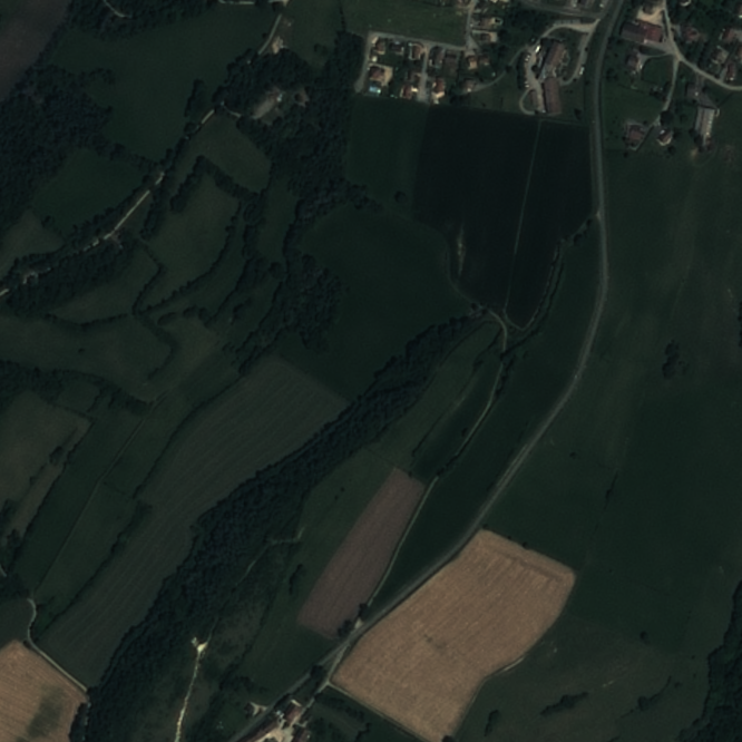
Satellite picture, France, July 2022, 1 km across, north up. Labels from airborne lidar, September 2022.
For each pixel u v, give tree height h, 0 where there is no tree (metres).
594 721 0
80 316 0
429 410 0
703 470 0
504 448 0
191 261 0
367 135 0
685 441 0
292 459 8
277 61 17
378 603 0
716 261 0
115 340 0
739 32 0
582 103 0
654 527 0
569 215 0
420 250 0
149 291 8
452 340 9
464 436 9
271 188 6
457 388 0
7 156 19
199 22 0
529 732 0
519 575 0
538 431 0
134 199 13
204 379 0
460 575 0
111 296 0
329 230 0
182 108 0
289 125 7
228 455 0
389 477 0
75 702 0
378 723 0
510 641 0
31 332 0
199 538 6
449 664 0
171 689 0
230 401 0
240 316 15
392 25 0
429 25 0
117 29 7
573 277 0
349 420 14
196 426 0
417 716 0
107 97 0
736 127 0
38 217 7
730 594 0
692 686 0
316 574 0
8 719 0
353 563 0
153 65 0
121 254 15
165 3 8
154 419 0
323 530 0
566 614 0
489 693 0
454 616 0
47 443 0
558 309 0
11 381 13
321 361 0
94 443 0
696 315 0
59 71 23
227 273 0
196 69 0
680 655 0
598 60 0
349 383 0
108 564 8
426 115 0
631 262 0
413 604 0
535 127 0
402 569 0
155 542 0
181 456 0
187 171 0
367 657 0
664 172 0
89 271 20
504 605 0
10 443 0
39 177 20
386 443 0
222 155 0
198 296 0
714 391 0
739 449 0
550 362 0
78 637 0
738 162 0
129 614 0
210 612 6
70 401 0
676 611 0
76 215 0
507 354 14
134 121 0
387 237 0
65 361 0
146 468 0
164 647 13
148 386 0
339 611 0
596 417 0
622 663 0
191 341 0
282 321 7
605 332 0
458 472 0
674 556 0
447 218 0
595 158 0
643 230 0
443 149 0
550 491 0
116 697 11
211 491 0
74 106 25
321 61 0
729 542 0
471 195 0
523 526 0
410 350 16
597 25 0
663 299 0
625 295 0
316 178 17
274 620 0
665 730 0
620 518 0
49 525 0
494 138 0
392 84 9
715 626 0
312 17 0
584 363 0
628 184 0
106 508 0
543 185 0
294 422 0
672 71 0
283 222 0
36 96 27
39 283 8
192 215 0
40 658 0
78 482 0
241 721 0
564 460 0
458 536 0
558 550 0
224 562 14
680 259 0
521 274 0
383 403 16
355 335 0
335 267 0
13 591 12
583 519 0
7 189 16
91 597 0
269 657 0
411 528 0
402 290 0
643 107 0
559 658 0
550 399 0
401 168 0
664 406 0
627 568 0
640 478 0
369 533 0
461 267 0
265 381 0
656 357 0
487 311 15
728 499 0
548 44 13
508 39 19
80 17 14
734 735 22
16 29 0
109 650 0
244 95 19
